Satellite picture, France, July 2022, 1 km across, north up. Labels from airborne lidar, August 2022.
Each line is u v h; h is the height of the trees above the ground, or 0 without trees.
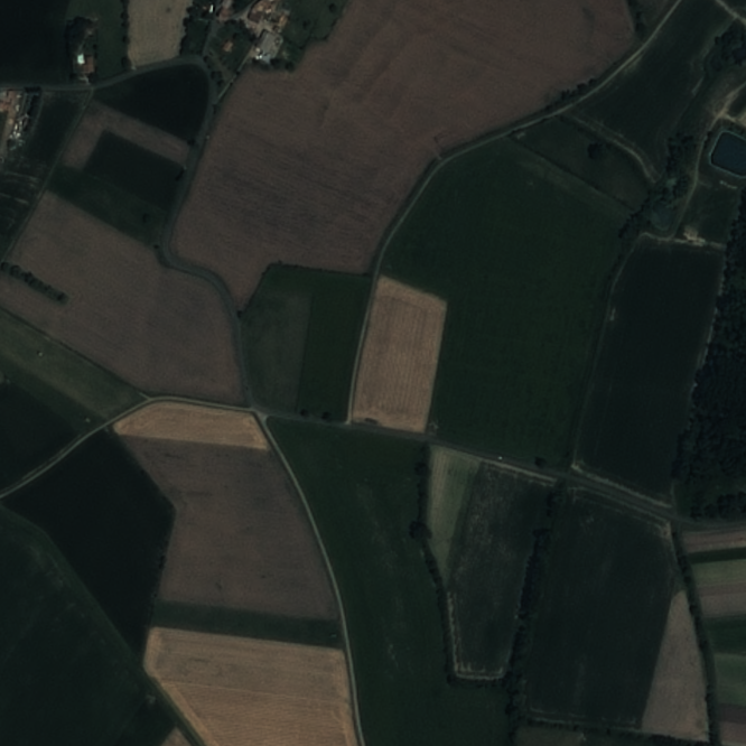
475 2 0
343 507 0
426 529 21
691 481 21
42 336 0
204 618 0
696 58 0
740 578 0
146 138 0
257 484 0
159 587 0
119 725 0
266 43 0
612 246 0
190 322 0
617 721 0
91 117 0
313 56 0
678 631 0
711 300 0
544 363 0
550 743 0
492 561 0
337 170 0
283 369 0
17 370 0
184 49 10
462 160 0
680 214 0
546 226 0
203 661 0
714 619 0
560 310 0
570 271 0
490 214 0
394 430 0
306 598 0
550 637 0
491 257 0
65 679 0
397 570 0
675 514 0
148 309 0
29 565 0
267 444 0
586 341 0
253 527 0
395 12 0
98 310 0
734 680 0
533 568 22
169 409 0
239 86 0
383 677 0
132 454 0
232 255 0
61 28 0
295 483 0
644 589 0
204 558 0
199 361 0
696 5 0
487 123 0
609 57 0
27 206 0
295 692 0
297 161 0
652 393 0
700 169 0
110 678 0
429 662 0
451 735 0
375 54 0
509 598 0
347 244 0
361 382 0
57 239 0
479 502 0
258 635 0
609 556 0
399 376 0
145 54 0
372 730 0
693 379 0
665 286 0
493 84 0
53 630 0
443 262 0
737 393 38
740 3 0
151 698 0
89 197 0
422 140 0
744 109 0
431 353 0
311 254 0
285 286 0
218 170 0
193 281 0
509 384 0
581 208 0
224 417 0
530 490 0
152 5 0
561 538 0
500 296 0
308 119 0
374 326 0
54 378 0
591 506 0
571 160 0
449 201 0
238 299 0
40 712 0
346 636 0
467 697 0
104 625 0
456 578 0
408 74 0
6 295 0
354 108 0
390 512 0
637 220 13
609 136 0
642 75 0
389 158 0
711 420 18
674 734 0
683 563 13
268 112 0
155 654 0
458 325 0
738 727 0
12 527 0
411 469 0
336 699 0
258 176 0
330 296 0
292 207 0
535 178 0
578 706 0
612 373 0
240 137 0
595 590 0
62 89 0
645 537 0
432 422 0
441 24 0
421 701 0
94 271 0
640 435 0
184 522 0
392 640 0
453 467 0
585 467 0
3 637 0
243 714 0
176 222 0
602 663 0
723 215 0
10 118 0
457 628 0
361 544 0
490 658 0
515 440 0
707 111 0
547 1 0
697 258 0
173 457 0
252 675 0
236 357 0
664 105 0
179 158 0
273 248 0
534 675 0
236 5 10
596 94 0
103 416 0
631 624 0
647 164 0
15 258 0
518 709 18
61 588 0
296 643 0
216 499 0
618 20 0
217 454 0
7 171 0
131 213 0
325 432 0
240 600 0
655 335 0
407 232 0
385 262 0
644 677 0
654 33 0
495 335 0
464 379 0
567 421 0
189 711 0
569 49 0
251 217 0
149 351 0
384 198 0
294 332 0
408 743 0
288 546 0
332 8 9
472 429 0
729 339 24
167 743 0
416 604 0
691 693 0
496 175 0
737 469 24
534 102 0
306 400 0
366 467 0
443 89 0
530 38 0
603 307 0
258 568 0
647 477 0
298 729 0
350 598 0
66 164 0
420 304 0
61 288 0
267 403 0
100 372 0
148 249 0
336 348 0
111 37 0
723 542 0
